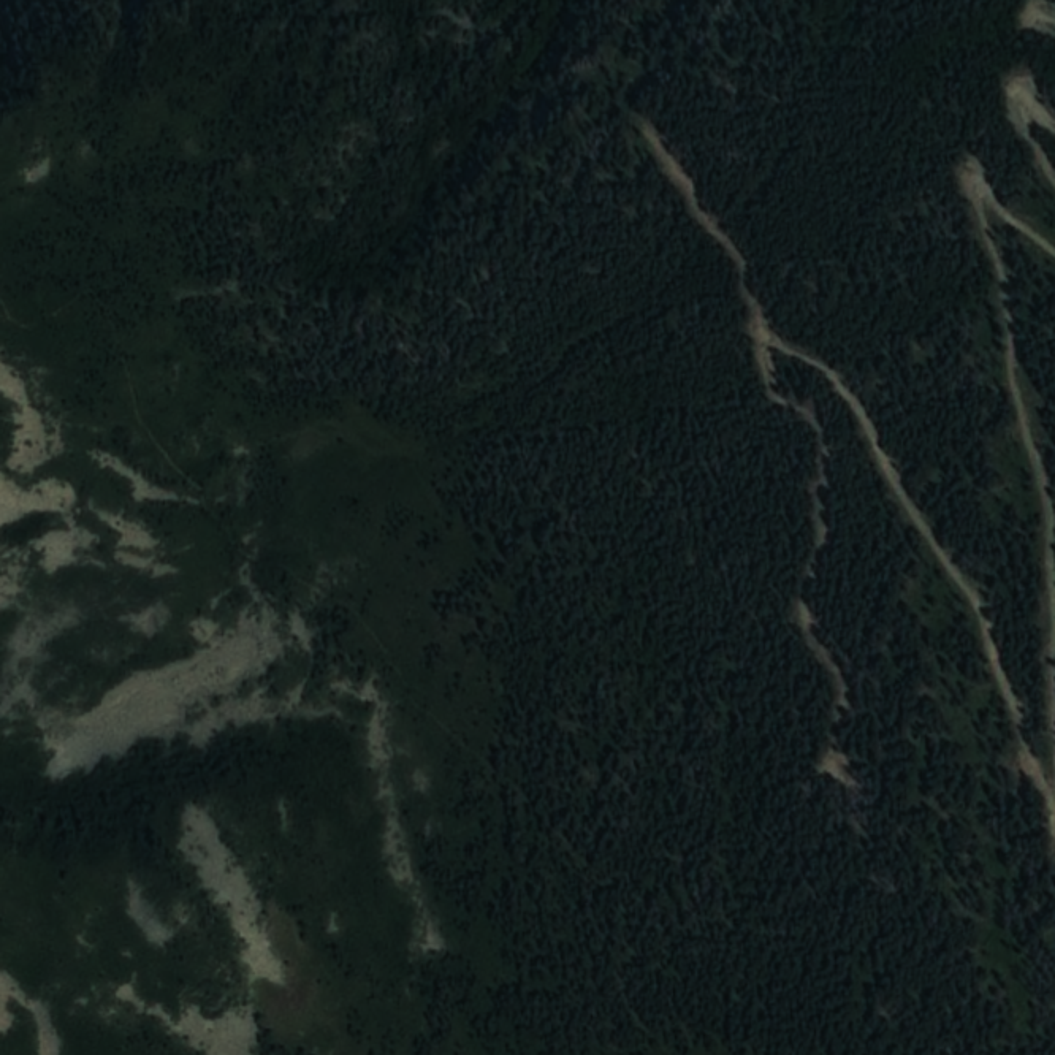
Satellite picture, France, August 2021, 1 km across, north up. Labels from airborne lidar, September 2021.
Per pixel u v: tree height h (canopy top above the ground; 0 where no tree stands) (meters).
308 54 11
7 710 0
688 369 11
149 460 0
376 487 0
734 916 11
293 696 0
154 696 0
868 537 19
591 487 23
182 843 0
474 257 21
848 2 15
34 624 0
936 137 15
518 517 16
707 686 28
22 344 0
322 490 0
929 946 32
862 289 19
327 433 0
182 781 7
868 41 18
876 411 18
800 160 19
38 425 0
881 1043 22
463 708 0
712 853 23
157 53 10
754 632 19
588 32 27
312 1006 0
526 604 17
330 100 16
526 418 13
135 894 0
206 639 0
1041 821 28
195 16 12
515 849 21
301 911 9
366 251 9
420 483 0
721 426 24
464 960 8
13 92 7
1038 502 0
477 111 17
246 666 0
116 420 0
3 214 0
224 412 0
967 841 32
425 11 20
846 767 0
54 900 0
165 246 7
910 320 13
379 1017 0
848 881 22
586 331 11
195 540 0
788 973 27
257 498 7
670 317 25
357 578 0
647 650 8
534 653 8
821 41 9
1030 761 0
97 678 0
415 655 0
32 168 0
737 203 26
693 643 22
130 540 0
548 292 19
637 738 22
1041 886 27
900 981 29
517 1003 17
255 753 8
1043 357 23
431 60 17
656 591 13
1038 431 0
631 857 18
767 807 25
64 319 0
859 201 17
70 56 9
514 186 17
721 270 16
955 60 27
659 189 31
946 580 23
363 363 27
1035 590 28
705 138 20
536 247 15
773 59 29
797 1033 22
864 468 15
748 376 14
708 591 18
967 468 7
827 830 29
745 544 24
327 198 23
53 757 0
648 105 31
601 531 16
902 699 22
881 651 25
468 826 0
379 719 0
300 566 0
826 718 30
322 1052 0
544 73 13
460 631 0
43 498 0
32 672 0
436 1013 10
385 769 0
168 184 10
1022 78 0
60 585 0
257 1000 0
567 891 8
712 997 14
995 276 15
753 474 17
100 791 6
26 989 0
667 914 14
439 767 0
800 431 22
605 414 16
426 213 6
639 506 20
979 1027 25
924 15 24
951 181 22
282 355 8
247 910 0
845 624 17
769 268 17
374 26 21
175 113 8
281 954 0
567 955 16
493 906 8
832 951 21
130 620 0
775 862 23
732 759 11
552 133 24
